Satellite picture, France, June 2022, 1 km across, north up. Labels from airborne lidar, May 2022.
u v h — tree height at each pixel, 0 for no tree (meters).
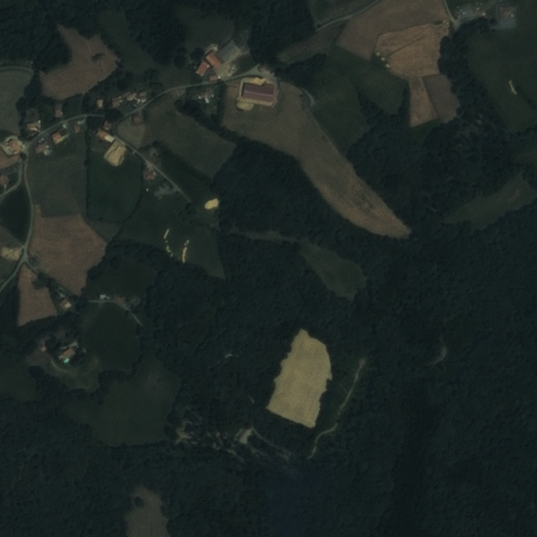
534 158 0
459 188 34
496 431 20
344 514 29
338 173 0
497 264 22
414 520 22
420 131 0
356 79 0
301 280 24
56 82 0
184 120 0
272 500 15
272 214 28
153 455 22
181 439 0
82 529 20
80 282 0
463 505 16
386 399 28
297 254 16
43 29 24
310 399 0
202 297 21
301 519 27
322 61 18
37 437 18
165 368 8
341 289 0
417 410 25
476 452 25
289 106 0
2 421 23
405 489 21
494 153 37
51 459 17
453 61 26
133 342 0
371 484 28
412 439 25
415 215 22
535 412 18
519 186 0
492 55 0
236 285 20
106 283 0
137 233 0
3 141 0
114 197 0
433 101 0
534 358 30
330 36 0
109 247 9
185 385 17
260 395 23
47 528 25
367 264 25
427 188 32
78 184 0
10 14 7
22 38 26
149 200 0
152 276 0
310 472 30
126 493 23
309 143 0
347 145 0
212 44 0
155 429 0
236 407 12
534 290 24
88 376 0
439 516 24
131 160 0
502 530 16
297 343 0
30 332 8
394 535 26
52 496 32
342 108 0
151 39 25
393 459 22
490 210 0
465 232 21
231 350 15
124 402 0
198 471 30
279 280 16
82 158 0
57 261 0
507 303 25
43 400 11
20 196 0
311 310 30
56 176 0
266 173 28
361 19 0
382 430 31
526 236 29
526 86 0
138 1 23
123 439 0
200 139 0
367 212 0
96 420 0
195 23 0
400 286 31
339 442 26
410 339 22
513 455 27
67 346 7
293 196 22
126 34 0
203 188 0
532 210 24
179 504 15
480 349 23
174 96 0
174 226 0
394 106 0
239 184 25
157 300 22
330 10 0
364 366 0
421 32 0
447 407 23
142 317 0
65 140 0
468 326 6
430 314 28
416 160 29
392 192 21
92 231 0
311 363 0
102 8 17
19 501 13
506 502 13
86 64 0
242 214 24
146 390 0
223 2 22
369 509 22
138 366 9
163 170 0
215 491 18
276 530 18
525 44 0
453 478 18
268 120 0
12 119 0
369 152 12
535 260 25
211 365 18
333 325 33
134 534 0
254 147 15
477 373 22
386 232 0
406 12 0
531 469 18
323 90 0
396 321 23
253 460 33
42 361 0
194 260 0
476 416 16
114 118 18
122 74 16
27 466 14
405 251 23
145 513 0
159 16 22
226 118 0
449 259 26
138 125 0
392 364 26
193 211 18
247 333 22
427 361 14
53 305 0
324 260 0
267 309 31
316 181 0
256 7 6
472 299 22
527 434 23
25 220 0
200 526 27
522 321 27
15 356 16
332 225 33
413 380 25
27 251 0
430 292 25
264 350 21
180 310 24
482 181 27
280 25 28
